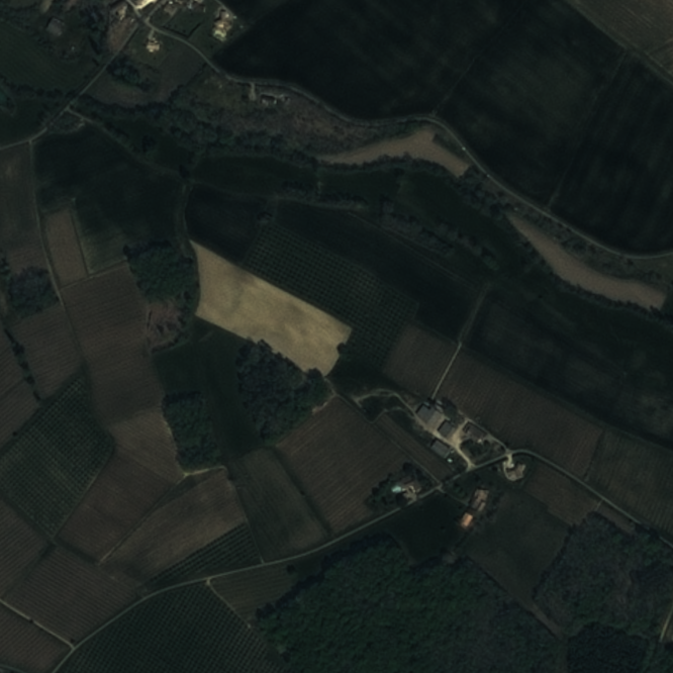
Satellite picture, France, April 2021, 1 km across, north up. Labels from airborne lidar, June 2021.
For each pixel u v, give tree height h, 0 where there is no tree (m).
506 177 0
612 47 0
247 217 0
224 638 6
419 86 0
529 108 0
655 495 0
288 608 20
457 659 17
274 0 0
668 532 0
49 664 0
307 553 0
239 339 0
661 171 0
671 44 0
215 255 0
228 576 0
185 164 0
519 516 0
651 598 17
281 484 0
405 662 24
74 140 0
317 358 0
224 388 0
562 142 0
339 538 0
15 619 0
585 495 0
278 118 14
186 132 11
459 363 0
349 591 21
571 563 17
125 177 0
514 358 0
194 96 7
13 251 0
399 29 0
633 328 0
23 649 0
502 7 0
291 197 11
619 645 8
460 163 0
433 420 0
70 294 0
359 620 22
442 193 0
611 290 0
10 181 0
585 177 0
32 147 0
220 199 0
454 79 0
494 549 0
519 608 15
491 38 0
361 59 0
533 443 0
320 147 14
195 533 0
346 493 0
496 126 0
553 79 0
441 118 0
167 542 0
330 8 0
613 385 0
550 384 0
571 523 0
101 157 0
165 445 0
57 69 0
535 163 0
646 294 0
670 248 0
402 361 0
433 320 0
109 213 0
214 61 0
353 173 13
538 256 15
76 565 0
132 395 0
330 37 0
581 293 15
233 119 14
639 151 0
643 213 0
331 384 0
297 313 0
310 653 22
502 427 0
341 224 0
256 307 0
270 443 18
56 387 0
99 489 0
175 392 0
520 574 0
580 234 0
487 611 17
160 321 0
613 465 0
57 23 0
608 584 18
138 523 0
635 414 0
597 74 0
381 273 0
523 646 18
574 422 0
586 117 0
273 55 0
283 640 16
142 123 0
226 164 0
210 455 20
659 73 0
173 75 0
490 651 18
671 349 0
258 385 18
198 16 0
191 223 0
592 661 11
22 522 0
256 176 0
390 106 0
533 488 0
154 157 16
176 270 20
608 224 0
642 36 0
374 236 0
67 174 0
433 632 21
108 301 0
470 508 6
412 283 0
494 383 0
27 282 20
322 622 23
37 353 0
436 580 22
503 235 0
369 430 0
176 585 0
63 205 0
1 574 0
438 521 0
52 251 0
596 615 17
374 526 0
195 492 0
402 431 0
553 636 16
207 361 0
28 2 0
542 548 0
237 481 10
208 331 0
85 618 0
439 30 0
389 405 0
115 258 0
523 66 0
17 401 0
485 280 0
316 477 0
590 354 0
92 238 0
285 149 18
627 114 0
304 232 0
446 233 14
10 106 9
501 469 6
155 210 0
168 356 0
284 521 0
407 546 0
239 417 0
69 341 0
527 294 0
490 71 0
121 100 0
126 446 0
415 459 0
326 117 11
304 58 0
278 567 0
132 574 0
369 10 0
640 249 0
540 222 6
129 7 9
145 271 18
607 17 0
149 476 0
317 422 0
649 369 0
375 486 0
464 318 0
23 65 0
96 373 0
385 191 0
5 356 0
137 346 0
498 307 0
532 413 0
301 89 0
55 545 0
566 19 0
